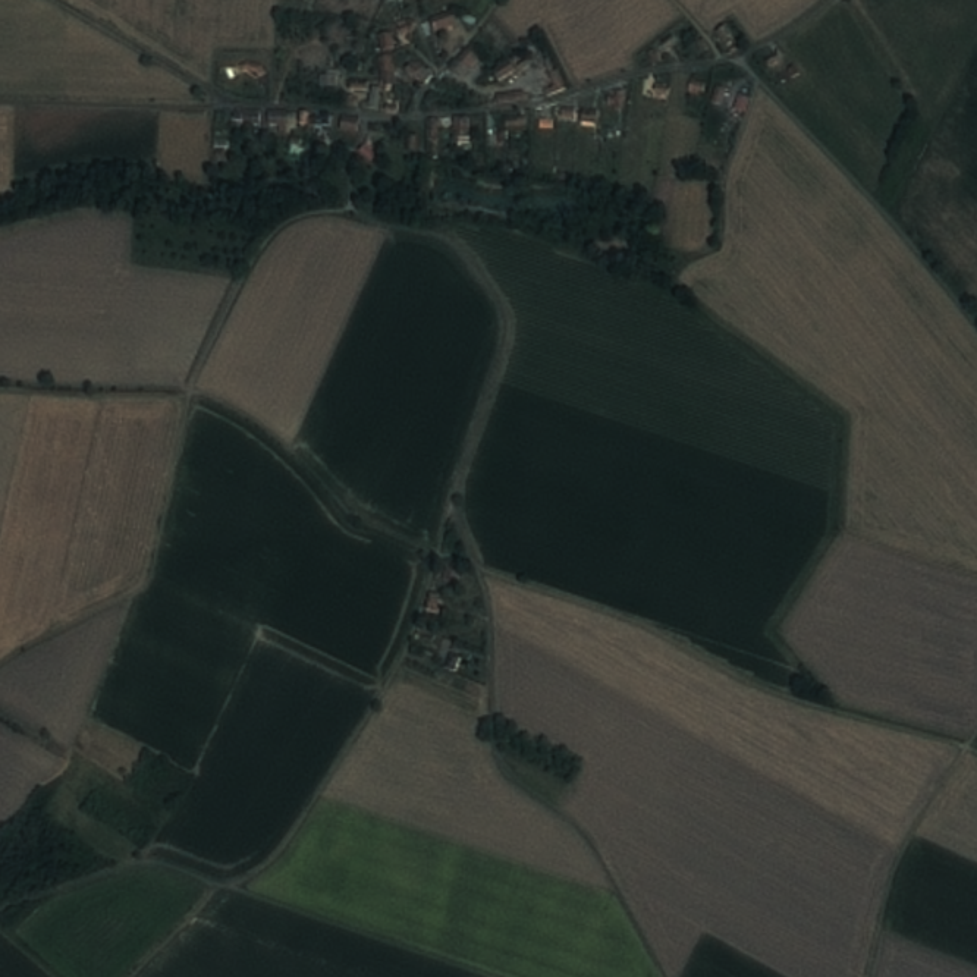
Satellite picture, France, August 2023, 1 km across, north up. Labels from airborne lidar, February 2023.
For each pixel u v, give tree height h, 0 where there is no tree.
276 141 6
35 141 0
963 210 0
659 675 0
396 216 15
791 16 0
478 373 0
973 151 0
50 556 0
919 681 0
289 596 0
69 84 0
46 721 0
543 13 0
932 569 0
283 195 20
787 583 0
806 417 0
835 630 0
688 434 0
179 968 0
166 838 0
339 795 0
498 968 0
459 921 0
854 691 0
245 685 0
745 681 0
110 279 0
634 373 0
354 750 0
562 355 0
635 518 0
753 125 0
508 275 0
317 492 0
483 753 0
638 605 0
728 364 0
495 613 0
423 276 0
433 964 0
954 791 0
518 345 0
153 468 0
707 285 0
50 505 0
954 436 0
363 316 0
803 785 0
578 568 0
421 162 13
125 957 0
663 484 0
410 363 0
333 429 0
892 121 0
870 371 0
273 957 0
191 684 0
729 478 0
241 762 0
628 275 17
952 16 0
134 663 0
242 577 0
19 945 0
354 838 0
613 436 0
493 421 0
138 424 0
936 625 0
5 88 0
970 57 0
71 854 6
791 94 0
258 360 0
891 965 0
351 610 0
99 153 0
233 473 0
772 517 0
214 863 0
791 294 0
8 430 0
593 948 0
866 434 0
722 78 0
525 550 0
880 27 0
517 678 0
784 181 0
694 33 10
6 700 0
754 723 0
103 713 0
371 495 0
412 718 0
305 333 0
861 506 0
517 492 0
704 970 0
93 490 0
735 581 0
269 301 0
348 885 0
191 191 7
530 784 0
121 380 0
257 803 0
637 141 0
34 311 0
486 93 0
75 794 0
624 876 0
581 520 0
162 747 0
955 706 0
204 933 0
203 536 0
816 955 0
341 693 0
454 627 0
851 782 0
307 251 0
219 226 10
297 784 0
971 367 0
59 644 0
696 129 0
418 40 0
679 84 0
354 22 12
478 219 11
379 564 0
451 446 0
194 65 0
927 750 0
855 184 0
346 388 0
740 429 0
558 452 0
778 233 0
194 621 0
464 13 7
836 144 0
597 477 0
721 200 13
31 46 0
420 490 0
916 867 0
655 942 0
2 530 0
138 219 10
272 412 0
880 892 0
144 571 0
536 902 0
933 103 0
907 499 0
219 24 0
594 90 0
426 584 0
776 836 0
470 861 0
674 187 0
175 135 0
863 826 0
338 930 0
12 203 16
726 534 0
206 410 0
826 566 0
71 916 0
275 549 0
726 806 0
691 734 0
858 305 0
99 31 0
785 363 0
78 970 0
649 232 21
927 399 0
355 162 14
